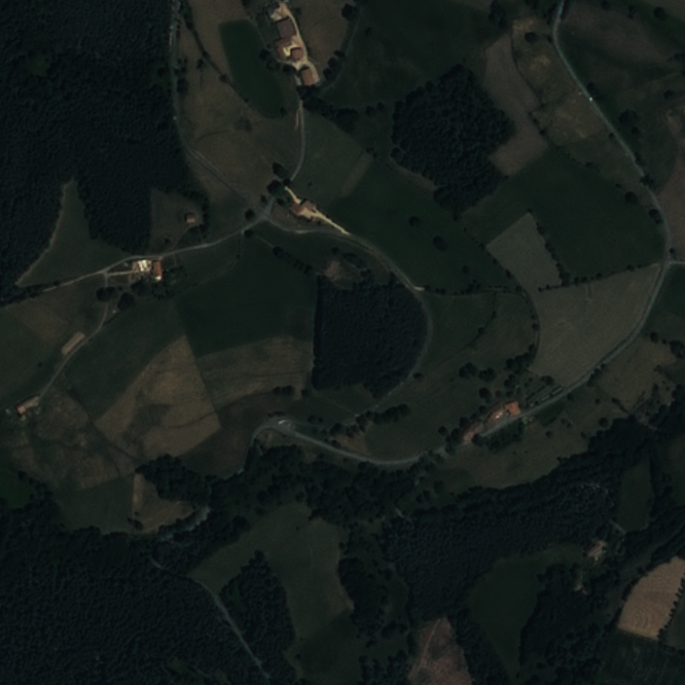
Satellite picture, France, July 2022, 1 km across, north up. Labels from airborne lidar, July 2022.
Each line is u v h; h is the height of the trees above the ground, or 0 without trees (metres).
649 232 0
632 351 0
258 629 30
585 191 0
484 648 19
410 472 14
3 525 20
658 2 0
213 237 0
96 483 0
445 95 22
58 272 0
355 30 0
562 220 0
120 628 26
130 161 26
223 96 0
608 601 15
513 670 0
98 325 0
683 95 0
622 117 11
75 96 24
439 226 0
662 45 0
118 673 29
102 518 0
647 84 0
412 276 0
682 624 0
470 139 16
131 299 18
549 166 0
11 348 0
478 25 0
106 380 0
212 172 0
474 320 0
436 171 18
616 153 0
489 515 18
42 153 26
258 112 0
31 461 0
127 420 0
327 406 0
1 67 28
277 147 0
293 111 0
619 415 0
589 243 0
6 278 21
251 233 16
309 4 0
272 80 0
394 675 17
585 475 19
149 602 29
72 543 26
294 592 0
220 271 0
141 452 0
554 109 0
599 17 0
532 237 0
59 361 0
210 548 23
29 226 23
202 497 26
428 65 0
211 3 0
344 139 0
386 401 0
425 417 0
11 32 26
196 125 0
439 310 0
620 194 0
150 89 10
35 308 0
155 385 0
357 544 16
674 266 0
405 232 0
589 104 0
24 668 27
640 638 0
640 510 0
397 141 14
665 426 20
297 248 0
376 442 0
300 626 0
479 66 0
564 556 0
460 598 23
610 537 30
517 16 0
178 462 15
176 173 25
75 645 22
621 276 0
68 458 0
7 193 25
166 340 0
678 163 0
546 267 0
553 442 0
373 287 15
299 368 0
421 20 0
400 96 0
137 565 23
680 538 10
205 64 16
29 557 20
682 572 0
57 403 0
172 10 17
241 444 0
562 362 0
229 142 0
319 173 0
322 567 0
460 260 0
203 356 0
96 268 0
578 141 0
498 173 7
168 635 28
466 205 13
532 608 0
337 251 11
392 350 26
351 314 23
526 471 0
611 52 0
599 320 0
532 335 0
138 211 26
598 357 0
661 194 0
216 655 27
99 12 20
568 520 18
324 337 23
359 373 21
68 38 15
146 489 0
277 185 19
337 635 0
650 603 0
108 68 10
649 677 0
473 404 0
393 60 0
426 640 0
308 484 20
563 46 0
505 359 0
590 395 0
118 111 25
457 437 17
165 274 8
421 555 22
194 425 0
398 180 0
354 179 0
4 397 0
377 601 24
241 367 0
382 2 0
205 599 24
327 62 0
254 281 0
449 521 21
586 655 15
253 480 21
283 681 29
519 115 0
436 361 0
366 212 0
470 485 0
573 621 18
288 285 0
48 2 20
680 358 18
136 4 20
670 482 15
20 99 24
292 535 0
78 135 24
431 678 0
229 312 0
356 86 0
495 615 0
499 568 0
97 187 24
